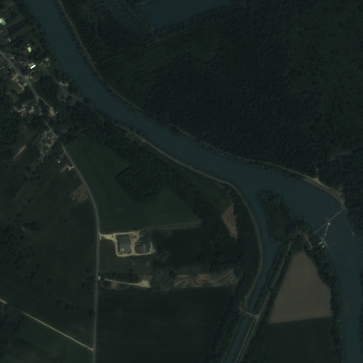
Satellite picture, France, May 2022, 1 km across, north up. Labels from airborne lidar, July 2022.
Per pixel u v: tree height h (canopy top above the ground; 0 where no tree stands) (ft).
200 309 0
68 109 73
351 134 21
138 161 54
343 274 0
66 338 0
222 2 0
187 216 0
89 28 21
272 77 50
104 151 0
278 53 37
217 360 71
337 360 0
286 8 79
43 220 0
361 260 0
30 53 21
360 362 0
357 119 27
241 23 28
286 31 81
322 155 31
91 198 0
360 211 60
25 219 0
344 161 70
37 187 0
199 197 63
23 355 0
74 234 0
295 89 57
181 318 0
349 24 25
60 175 0
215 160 0
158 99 54
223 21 47
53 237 0
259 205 0
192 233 0
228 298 0
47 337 0
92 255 0
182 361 0
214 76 41
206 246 0
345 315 0
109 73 22
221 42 22
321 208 0
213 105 51
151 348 0
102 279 27
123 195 0
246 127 52
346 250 0
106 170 0
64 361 0
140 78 27
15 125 55
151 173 55
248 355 30
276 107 52
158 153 0
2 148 17
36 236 0
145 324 0
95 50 52
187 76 50
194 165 0
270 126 46
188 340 0
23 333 0
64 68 0
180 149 0
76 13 28
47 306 0
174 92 40
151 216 0
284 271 36
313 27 23
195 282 0
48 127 32
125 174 40
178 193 33
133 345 0
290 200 0
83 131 34
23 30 0
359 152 66
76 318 0
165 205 0
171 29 36
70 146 0
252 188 0
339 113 29
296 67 0
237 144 64
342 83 20
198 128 50
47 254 0
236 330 0
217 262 50
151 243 0
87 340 0
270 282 25
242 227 37
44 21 0
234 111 52
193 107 45
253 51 28
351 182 73
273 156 63
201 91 67
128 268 0
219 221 40
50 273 0
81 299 0
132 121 0
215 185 0
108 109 0
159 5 0
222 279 0
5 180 0
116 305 0
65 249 0
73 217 0
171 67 27
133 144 56
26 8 66
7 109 50
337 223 0
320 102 59
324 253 51
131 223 0
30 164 0
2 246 50
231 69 37
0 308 0
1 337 64
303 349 0
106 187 0
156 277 0
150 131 0
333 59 18
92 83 0
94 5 24
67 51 0
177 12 0
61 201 0
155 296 0
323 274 64
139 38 47
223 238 59
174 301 0
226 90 40
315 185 0
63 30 0
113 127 51
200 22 36
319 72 24
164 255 0
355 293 0
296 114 42
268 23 89
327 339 0
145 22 30
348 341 0
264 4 94
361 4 28
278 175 0
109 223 0
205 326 0
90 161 0
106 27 54
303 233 93
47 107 18
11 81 0
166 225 0
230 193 50
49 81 73
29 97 52
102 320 0
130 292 22
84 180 0
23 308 0
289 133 48
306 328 0
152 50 20
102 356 0
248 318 0
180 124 50
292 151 60
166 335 0
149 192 29
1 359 49
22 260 63
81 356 0
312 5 66
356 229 23
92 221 0
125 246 0
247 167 0
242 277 65
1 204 0
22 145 0
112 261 0
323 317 0
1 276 0
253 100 56
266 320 36
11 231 36
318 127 26
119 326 0
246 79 37
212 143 42
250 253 51
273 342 0
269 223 39
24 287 0
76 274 0
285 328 0
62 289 0
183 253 0
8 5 0
